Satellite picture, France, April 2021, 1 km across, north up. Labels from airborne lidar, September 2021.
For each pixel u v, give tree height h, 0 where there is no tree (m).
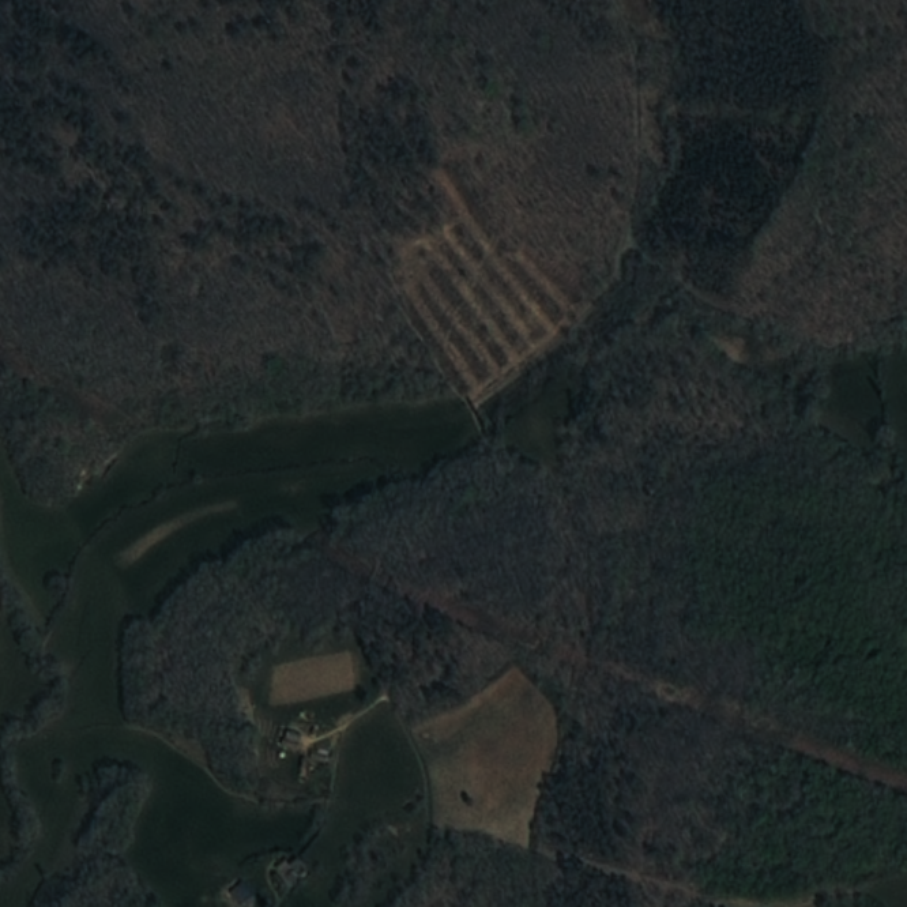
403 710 15
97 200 24
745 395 18
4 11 25
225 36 13
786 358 18
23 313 17
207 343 19
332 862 0
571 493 16
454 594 16
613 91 16
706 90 26
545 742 0
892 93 14
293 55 16
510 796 0
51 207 16
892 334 20
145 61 12
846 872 24
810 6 15
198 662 20
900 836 19
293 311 18
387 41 11
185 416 19
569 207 18
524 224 14
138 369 18
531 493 18
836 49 23
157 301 23
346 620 17
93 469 13
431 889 19
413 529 20
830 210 15
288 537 27
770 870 18
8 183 15
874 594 21
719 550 23
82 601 0
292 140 16
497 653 10
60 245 28
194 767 0
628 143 21
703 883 19
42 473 8
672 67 21
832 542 25
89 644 0
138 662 22
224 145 17
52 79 17
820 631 24
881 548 24
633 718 12
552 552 19
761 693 18
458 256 0
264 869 0
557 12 26
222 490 0
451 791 0
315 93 15
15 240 19
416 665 12
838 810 23
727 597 27
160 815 0
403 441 0
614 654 14
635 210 18
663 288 16
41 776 0
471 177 16
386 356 14
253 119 14
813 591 22
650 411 14
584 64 19
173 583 0
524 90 18
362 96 13
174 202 15
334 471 0
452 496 18
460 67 11
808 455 22
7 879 16
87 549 0
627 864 12
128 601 0
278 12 23
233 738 22
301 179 17
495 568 13
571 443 12
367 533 23
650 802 16
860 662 23
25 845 24
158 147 13
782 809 19
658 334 22
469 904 20
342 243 15
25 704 0
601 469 16
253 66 15
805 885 26
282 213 16
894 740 18
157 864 0
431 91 14
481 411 7
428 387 22
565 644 11
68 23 25
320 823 14
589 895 18
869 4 15
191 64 11
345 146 16
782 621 24
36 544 0
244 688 0
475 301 0
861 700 24
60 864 0
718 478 17
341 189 18
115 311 17
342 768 0
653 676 12
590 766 9
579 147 17
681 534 20
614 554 20
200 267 13
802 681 24
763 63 23
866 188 15
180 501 0
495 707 0
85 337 23
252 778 12
